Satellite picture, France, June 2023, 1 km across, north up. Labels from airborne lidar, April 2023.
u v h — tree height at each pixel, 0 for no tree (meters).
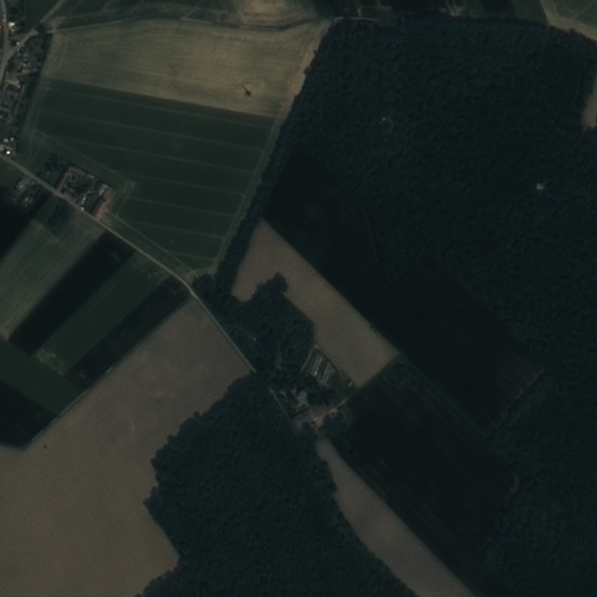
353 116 25
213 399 0
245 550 25
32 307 0
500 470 0
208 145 0
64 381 0
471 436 0
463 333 0
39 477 0
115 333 0
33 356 0
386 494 0
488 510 0
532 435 20
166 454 20
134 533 0
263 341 20
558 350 24
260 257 0
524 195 23
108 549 0
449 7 0
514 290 25
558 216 27
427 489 0
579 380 26
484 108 26
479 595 0
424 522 0
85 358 0
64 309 0
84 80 0
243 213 0
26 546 0
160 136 0
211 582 31
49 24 0
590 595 23
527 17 0
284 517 24
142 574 0
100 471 0
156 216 0
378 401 0
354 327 0
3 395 0
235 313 15
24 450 0
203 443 24
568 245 28
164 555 0
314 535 23
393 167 20
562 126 25
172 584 23
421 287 0
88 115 0
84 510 0
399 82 22
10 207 0
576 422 26
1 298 0
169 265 0
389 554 0
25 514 0
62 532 0
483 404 0
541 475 21
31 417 0
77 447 0
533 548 21
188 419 0
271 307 6
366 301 0
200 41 0
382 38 27
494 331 0
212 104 0
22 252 0
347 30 21
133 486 0
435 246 24
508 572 17
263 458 25
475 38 24
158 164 0
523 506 20
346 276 0
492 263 24
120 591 0
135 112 0
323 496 14
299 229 0
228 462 24
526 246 24
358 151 23
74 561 0
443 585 0
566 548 23
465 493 0
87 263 0
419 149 25
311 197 0
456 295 0
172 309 0
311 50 0
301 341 8
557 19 0
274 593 23
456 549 0
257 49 0
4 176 0
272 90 0
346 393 0
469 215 25
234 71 0
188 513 24
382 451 0
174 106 0
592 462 26
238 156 0
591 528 22
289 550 19
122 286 0
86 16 0
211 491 24
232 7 0
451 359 0
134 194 0
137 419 0
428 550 0
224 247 0
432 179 26
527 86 27
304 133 22
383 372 0
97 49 0
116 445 0
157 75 0
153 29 0
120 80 0
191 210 0
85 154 0
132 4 0
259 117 0
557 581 22
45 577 0
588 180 25
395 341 0
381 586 24
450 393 0
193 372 0
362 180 22
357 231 0
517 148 27
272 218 0
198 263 0
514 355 0
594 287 27
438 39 26
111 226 0
